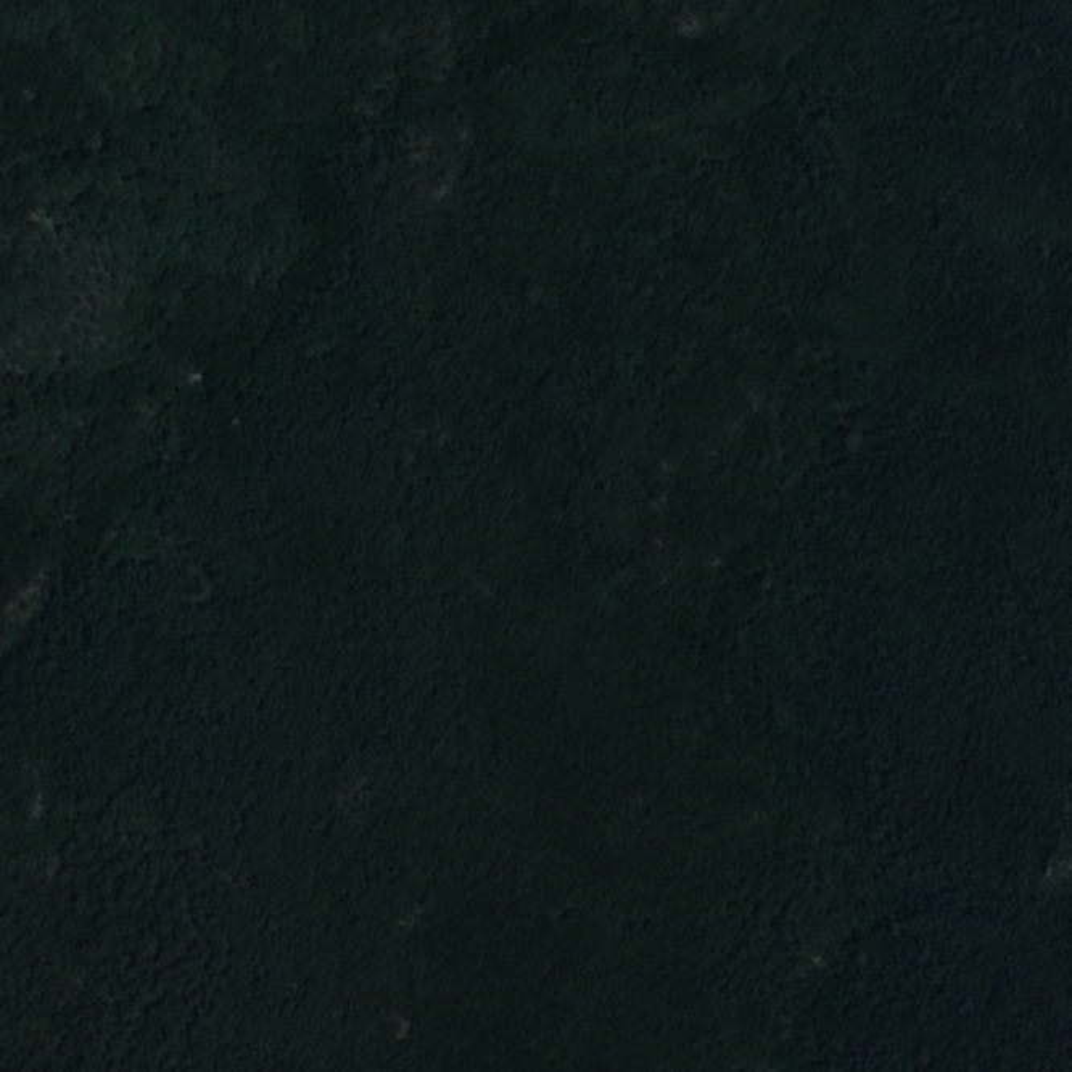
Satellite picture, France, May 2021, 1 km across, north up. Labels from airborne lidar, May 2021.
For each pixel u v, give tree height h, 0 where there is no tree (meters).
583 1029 12
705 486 10
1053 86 9
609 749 13
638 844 13
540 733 16
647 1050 12
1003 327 12
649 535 12
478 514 19
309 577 17
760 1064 8
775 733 18
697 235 16
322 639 17
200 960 18
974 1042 6
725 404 6
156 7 15
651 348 19
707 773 8
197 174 15
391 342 17
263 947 17
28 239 29
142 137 26
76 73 16
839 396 16
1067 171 14
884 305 6
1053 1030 7
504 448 11
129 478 22
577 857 17
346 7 15
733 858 10
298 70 14
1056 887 6
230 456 14
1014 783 15
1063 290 12
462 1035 19
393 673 19
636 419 21
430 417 10
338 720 19
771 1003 22
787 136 10
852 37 9
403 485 9
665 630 20
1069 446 12
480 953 21
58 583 14
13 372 9
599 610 22
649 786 14
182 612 25
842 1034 17
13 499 21
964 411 9
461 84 15
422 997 14
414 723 13
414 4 13
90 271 19
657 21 9
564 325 20
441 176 9
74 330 20
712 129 13
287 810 19
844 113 21
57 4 15
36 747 11
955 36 10
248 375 23
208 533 6
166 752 16
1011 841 13
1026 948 9
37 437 21
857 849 11
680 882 16
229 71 10
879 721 20
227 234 13
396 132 13
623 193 18
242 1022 20
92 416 15
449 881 18
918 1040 12
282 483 20
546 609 17
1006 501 12
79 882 9
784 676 8
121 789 9
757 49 6
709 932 19
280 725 21
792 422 7
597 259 13
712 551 8
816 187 11
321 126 20
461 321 21
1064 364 9
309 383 17
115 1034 18
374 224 21
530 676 21
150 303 6
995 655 15
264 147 21
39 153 19
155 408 11
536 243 11
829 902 6
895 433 12
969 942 13
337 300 16
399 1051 9
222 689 25
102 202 18
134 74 16
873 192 12
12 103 20
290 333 14
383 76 9
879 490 8
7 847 8
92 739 21
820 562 10
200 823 20
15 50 18
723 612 17
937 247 7
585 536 18
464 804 20
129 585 23
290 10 13
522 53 16
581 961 15
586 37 17
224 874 19
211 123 7
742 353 13
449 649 19
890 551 7
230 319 19
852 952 18
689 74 17
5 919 17
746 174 20
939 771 20
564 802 17
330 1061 17
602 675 17
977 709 19
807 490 20
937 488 20
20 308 24
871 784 17
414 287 11
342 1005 19
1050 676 13
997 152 8
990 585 17
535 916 16
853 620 13
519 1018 13
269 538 13
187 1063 13
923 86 9
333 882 12
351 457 23
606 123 16
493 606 14
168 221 26
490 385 15
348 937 19
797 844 11
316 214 22
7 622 12
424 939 12
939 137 9
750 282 23
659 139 13
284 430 18
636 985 13
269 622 15
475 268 19
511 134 7
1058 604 6
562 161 10
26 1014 15
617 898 13
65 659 11
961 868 15
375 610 18
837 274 12
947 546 13
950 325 11
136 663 13
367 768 23
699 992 19
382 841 16
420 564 17
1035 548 18
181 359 11
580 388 21
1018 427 16
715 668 21
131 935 11
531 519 13
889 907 19
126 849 12
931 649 8
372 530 20
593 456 17
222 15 13
